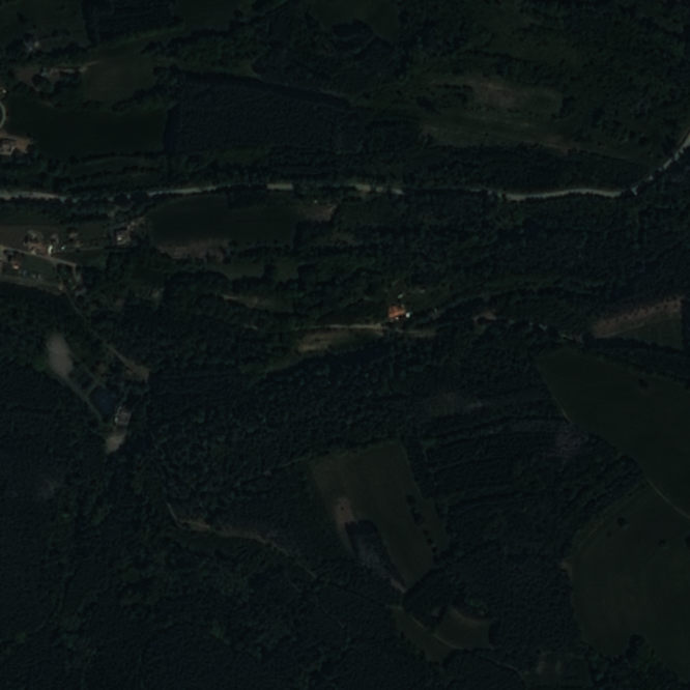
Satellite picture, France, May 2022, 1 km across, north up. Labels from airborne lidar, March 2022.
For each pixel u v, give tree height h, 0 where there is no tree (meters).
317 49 25
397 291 0
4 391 23
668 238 26
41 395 22
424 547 0
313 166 14
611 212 12
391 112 5
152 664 22
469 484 10
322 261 15
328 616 19
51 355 0
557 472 18
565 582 19
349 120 34
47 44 0
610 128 13
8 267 0
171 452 31
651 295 27
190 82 35
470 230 20
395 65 6
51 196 0
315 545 7
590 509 18
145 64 0
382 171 0
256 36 16
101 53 0
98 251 0
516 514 15
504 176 7
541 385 22
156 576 22
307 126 34
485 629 0
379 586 16
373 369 33
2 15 0
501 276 33
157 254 13
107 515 32
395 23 0
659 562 0
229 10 0
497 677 15
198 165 23
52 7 0
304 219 0
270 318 17
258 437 20
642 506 0
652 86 14
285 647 28
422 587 15
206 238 0
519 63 8
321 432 11
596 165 6
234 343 17
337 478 0
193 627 26
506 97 0
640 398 0
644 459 0
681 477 0
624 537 0
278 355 17
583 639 13
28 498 24
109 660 13
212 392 28
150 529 19
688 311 26
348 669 25
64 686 18
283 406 30
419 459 12
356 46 25
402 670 24
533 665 17
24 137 0
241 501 21
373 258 17
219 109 35
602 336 0
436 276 30
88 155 0
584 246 16
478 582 27
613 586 0
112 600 15
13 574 19
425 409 27
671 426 0
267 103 29
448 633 0
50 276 0
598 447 18
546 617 23
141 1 9
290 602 17
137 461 23
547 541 15
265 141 31
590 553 0
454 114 0
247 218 0
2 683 22
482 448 9
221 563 22
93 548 30
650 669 20
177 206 0
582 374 0
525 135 0
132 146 0
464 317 19
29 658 19
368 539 30
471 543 15
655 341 0
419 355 19
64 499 8
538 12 20
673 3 23
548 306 7
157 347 20
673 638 0
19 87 14
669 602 0
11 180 7
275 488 15
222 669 28
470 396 24
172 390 33
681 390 0
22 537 19
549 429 14
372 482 0
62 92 22
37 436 22
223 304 21
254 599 31
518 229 20
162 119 0
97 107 11
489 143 0
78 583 16
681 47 23
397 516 0
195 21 0
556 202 14
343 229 8
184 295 21
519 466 17
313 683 19
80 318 13
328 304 23
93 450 12
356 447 20
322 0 0
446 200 26
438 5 14
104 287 16
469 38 11
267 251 13
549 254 29
